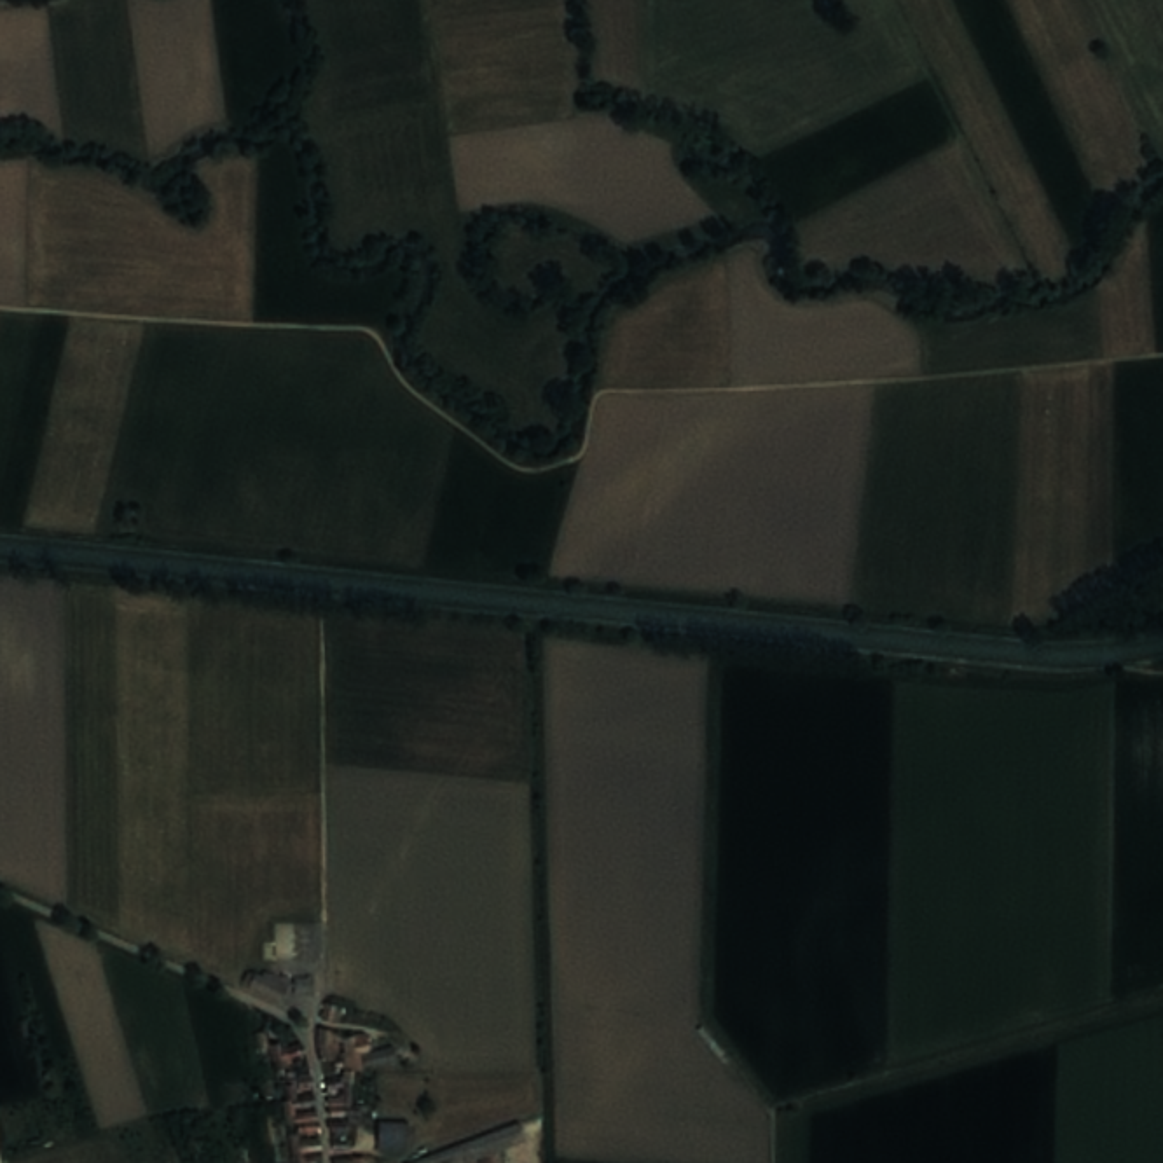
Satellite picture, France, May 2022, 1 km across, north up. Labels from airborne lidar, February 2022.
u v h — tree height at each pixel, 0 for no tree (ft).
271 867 0
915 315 61
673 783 0
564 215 0
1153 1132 0
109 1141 0
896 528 0
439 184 0
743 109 0
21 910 0
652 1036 0
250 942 0
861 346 0
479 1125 0
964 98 0
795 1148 0
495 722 0
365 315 0
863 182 0
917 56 0
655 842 0
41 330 0
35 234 0
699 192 0
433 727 0
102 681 0
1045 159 0
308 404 0
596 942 0
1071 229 0
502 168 0
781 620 0
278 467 0
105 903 0
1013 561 0
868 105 0
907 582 0
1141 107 0
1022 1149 0
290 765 0
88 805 0
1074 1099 0
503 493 0
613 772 0
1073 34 0
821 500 0
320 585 0
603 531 0
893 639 0
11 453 0
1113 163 0
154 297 0
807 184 0
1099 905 0
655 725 0
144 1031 0
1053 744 0
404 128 0
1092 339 0
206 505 0
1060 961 0
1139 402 0
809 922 0
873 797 0
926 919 0
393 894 0
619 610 0
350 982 0
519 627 48
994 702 0
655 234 0
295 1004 0
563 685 0
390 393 0
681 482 0
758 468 0
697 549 0
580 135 0
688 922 0
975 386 0
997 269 0
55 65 0
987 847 0
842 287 60
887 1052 0
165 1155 0
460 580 0
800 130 0
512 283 0
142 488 0
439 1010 0
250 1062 0
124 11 0
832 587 0
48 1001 0
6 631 0
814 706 0
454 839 0
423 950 0
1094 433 0
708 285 0
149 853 0
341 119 0
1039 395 0
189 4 0
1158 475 0
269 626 0
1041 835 0
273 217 0
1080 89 0
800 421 0
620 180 0
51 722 0
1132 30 0
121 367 0
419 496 0
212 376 0
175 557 0
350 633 0
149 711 0
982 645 0
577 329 34
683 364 0
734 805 0
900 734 0
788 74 0
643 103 76
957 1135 0
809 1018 0
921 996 0
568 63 0
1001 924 0
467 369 0
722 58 0
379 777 0
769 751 0
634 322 0
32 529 0
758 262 0
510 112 0
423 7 0
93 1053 0
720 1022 0
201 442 0
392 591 0
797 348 0
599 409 0
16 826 0
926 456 0
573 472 0
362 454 0
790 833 0
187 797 0
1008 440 0
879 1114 0
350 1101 0
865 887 0
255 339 0
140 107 0
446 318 0
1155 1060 0
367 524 0
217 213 0
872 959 0
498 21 0
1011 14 0
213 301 0
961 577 0
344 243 0
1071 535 0
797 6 0
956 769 0
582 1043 0
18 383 0
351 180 0
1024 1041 0
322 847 0
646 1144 0
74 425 0
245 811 0
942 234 0
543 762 0
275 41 0
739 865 0
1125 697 0
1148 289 0
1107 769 0
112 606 0
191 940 0
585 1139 0
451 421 0
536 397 0
